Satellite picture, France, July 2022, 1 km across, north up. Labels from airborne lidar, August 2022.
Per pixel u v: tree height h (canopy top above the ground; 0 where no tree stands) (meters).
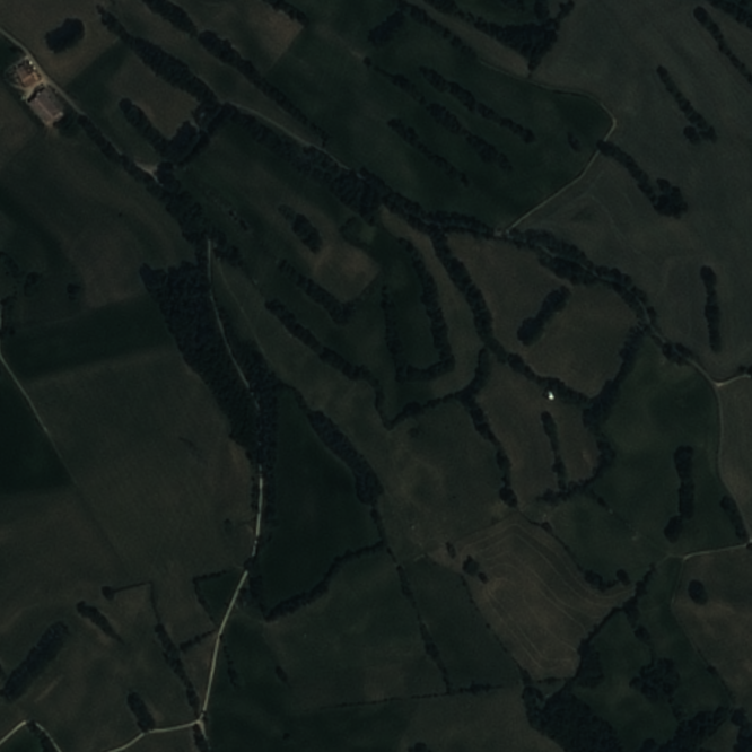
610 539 0
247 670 0
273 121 0
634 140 0
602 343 0
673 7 0
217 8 0
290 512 0
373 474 9
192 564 0
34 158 0
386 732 0
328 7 0
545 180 0
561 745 6
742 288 0
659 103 0
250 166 0
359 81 0
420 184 0
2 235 0
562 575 0
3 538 0
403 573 7
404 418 9
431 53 0
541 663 0
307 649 0
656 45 0
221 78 0
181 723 0
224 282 0
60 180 0
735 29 0
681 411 0
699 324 0
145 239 0
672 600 0
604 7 0
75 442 0
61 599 0
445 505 0
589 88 0
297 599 8
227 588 0
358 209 9
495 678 0
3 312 5
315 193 0
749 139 0
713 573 0
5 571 0
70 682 0
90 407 0
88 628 0
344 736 0
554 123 0
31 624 0
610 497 0
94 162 0
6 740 0
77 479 0
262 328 0
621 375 7
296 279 8
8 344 0
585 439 0
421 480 0
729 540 0
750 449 0
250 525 0
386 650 0
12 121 0
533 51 24
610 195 0
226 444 0
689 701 0
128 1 0
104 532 0
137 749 0
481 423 21
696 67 0
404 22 17
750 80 8
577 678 6
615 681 0
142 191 0
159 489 0
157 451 0
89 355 0
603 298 0
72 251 0
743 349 0
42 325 0
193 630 0
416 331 0
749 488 0
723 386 0
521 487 0
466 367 0
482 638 0
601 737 17
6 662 0
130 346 0
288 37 0
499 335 0
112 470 0
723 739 0
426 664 0
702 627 0
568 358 0
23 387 0
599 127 0
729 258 0
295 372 0
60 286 0
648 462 0
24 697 0
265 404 21
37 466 0
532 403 0
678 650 0
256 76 17
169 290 15
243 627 0
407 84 18
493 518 0
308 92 0
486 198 0
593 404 6
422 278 14
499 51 0
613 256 0
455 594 0
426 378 7
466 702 0
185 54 0
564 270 18
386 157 0
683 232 0
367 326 0
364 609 0
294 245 0
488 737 0
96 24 0
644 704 0
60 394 0
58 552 0
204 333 33
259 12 0
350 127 0
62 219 0
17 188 0
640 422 0
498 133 0
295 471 0
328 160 16
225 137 0
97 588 0
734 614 0
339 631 0
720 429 0
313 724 0
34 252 0
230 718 0
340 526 0
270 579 0
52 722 0
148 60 24
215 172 0
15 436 0
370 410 0
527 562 0
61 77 0
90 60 0
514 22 0
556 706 17
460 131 15
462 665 0
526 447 0
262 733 0
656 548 0
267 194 0
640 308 15
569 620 0
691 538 0
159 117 0
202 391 0
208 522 0
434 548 0
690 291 0
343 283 0
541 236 19
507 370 0
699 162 0
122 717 0
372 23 0
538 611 0
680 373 0
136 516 0
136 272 0
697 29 0
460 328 0
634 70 0
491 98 0
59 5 0
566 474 16
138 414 0
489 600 0
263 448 13
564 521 0
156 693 0
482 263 0
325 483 0
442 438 0
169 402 0
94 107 0
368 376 14
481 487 0
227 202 0
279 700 0
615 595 0
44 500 0
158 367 0
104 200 0
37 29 0
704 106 0
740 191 0
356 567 0
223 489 0
